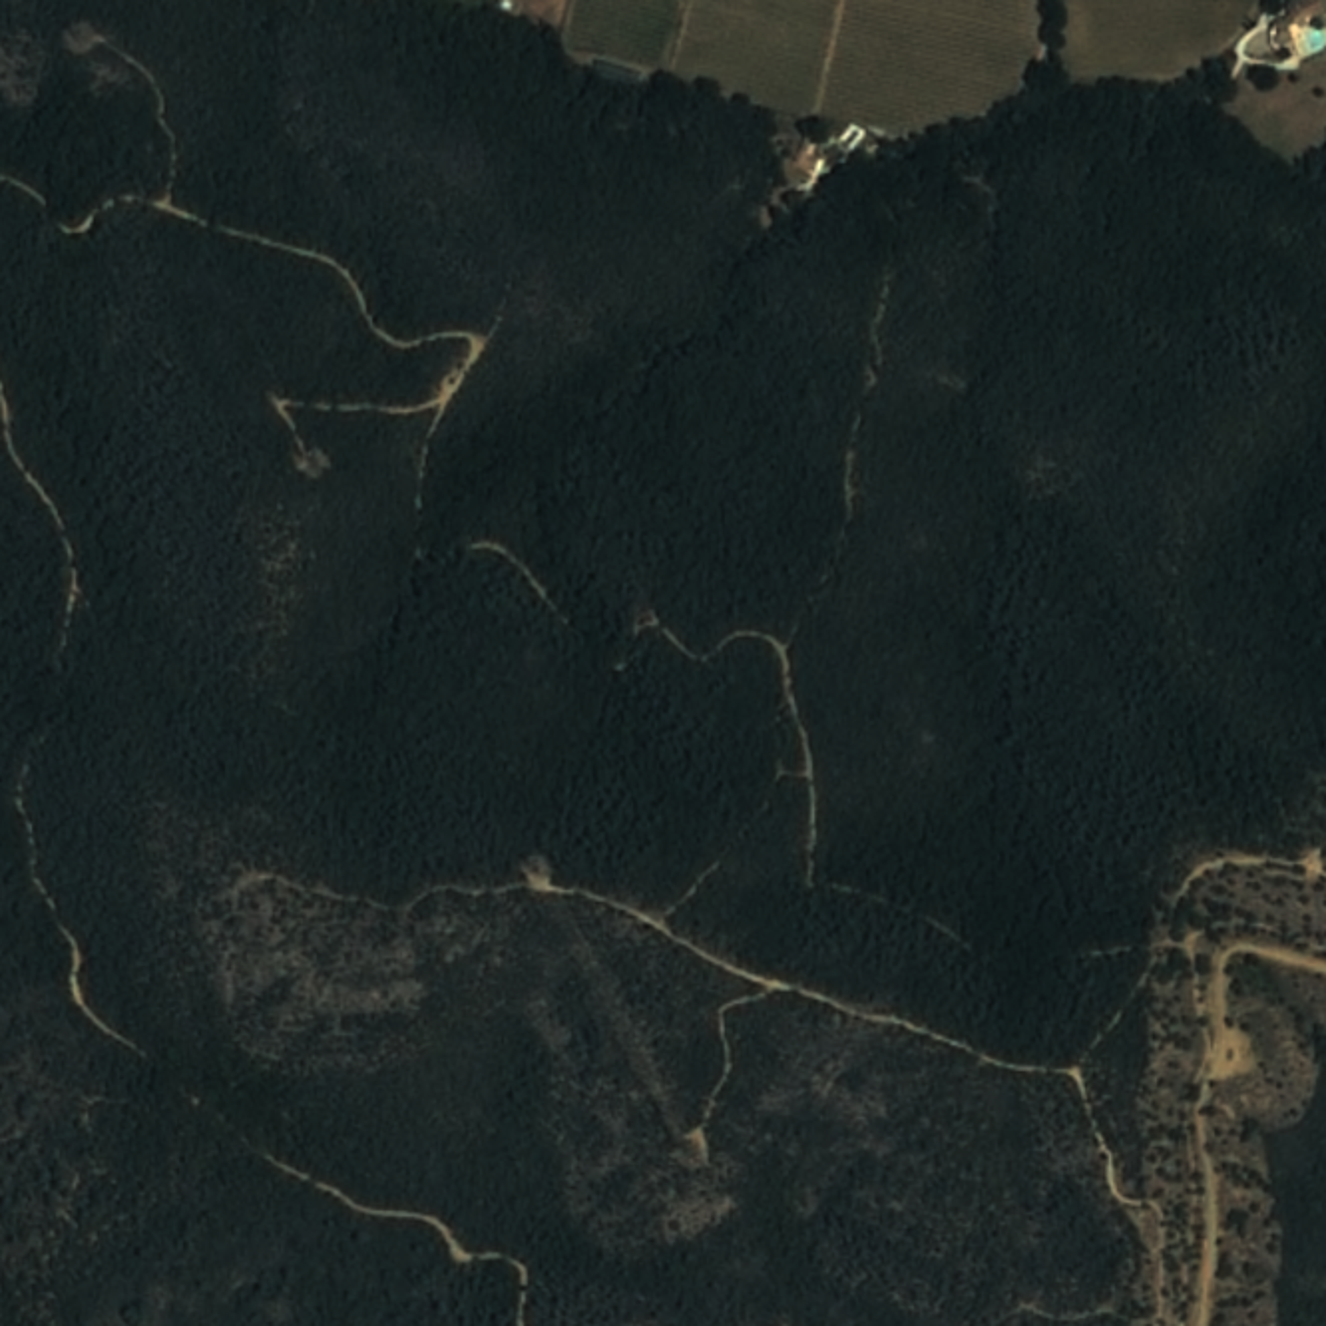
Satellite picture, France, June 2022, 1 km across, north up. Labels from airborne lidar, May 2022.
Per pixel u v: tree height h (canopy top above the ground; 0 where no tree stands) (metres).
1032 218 9
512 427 18
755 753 8
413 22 15
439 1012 6
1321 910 0
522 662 5
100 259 7
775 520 8
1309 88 0
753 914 11
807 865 7
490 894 7
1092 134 13
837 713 6
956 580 10
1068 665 6
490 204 6
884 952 17
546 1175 5
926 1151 10
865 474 7
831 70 0
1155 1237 0
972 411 6
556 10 0
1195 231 11
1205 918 11
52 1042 6
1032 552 14
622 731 12
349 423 6
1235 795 8
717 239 10
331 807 8
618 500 6
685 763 9
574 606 10
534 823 8
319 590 6
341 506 8
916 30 0
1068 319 12
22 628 10
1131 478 8
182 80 6
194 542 16
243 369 8
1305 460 19
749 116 15
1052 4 16
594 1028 13
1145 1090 8
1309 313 7
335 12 7
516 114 10
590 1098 8
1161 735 8
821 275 9
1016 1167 8
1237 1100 0
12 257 12
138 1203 16
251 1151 9
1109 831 7
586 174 10
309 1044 7
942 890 8
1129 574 7
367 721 13
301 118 8
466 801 12
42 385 13
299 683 7
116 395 8
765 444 11
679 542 13
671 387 14
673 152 9
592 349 7
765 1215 8
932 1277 11
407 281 8
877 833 12
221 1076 13
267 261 8
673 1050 6
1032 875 12
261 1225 6
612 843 11
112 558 16
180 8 6
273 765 13
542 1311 12
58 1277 9
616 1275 7
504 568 12
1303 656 11
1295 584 17
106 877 7
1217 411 6
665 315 11
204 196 7
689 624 9
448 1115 8
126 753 6
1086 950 12
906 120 0
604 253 6
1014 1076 6
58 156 16
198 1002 8
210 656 13
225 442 13
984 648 7
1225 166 13
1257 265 9
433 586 17
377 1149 11
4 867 15
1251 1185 8
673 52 0
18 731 9
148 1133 11
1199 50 0
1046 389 8
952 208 13
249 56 10
